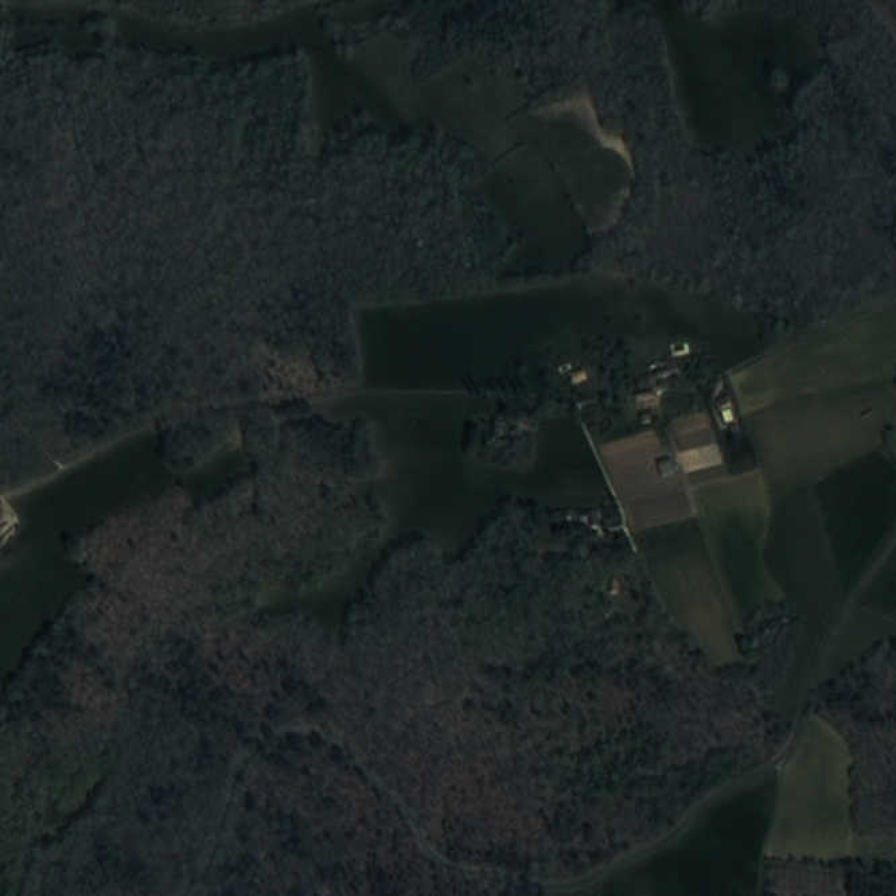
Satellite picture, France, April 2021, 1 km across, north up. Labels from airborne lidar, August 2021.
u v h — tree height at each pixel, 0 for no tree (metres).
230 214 20
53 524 0
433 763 8
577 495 0
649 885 0
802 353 0
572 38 21
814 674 0
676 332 0
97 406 25
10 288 20
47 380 18
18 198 18
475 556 17
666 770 14
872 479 0
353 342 22
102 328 16
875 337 0
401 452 0
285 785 7
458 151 15
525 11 21
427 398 0
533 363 0
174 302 14
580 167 0
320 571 19
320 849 14
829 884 11
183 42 0
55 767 13
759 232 13
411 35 7
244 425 16
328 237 20
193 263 15
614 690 5
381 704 17
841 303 16
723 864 0
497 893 13
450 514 0
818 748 0
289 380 0
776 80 22
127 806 19
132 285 15
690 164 12
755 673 11
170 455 23
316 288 18
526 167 0
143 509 6
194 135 21
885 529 0
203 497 0
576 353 0
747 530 0
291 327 14
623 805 8
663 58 14
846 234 16
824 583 0
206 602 14
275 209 17
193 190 17
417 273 21
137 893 12
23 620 0
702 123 0
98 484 0
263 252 18
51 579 0
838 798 0
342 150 11
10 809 20
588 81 16
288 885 19
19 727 23
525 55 9
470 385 0
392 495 0
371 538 19
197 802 17
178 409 20
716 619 0
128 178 15
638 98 13
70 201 16
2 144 14
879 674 16
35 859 26
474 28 24
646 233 21
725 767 13
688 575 0
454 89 0
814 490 0
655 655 16
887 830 19
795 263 17
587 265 10
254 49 0
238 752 18
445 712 15
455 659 19
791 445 0
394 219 17
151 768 13
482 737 11
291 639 18
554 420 0
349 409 0
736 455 0
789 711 0
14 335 20
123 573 15
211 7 7
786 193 16
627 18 19
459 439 0
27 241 17
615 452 0
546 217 0
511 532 23
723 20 0
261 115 15
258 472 20
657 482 0
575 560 18
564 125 0
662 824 19
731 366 0
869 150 16
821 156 17
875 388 0
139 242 21
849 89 23
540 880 13
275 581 20
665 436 0
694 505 0
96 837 19
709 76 0
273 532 17
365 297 21
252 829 13
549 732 7
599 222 0
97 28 18
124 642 18
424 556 26
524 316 0
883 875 20
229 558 18
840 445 0
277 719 22
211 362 12
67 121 18
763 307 11
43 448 19
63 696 24
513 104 0
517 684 23
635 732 16
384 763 7
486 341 0
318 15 10
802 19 7
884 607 0
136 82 6
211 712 22
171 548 11
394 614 18
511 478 0
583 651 16
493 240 14
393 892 23
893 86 19
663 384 8
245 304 17
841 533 0
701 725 13
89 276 18
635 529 0
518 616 20
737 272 16
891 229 14
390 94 0
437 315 0
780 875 9
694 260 14
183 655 25
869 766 16
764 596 0
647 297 0
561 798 14
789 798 0
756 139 0
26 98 16
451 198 26
